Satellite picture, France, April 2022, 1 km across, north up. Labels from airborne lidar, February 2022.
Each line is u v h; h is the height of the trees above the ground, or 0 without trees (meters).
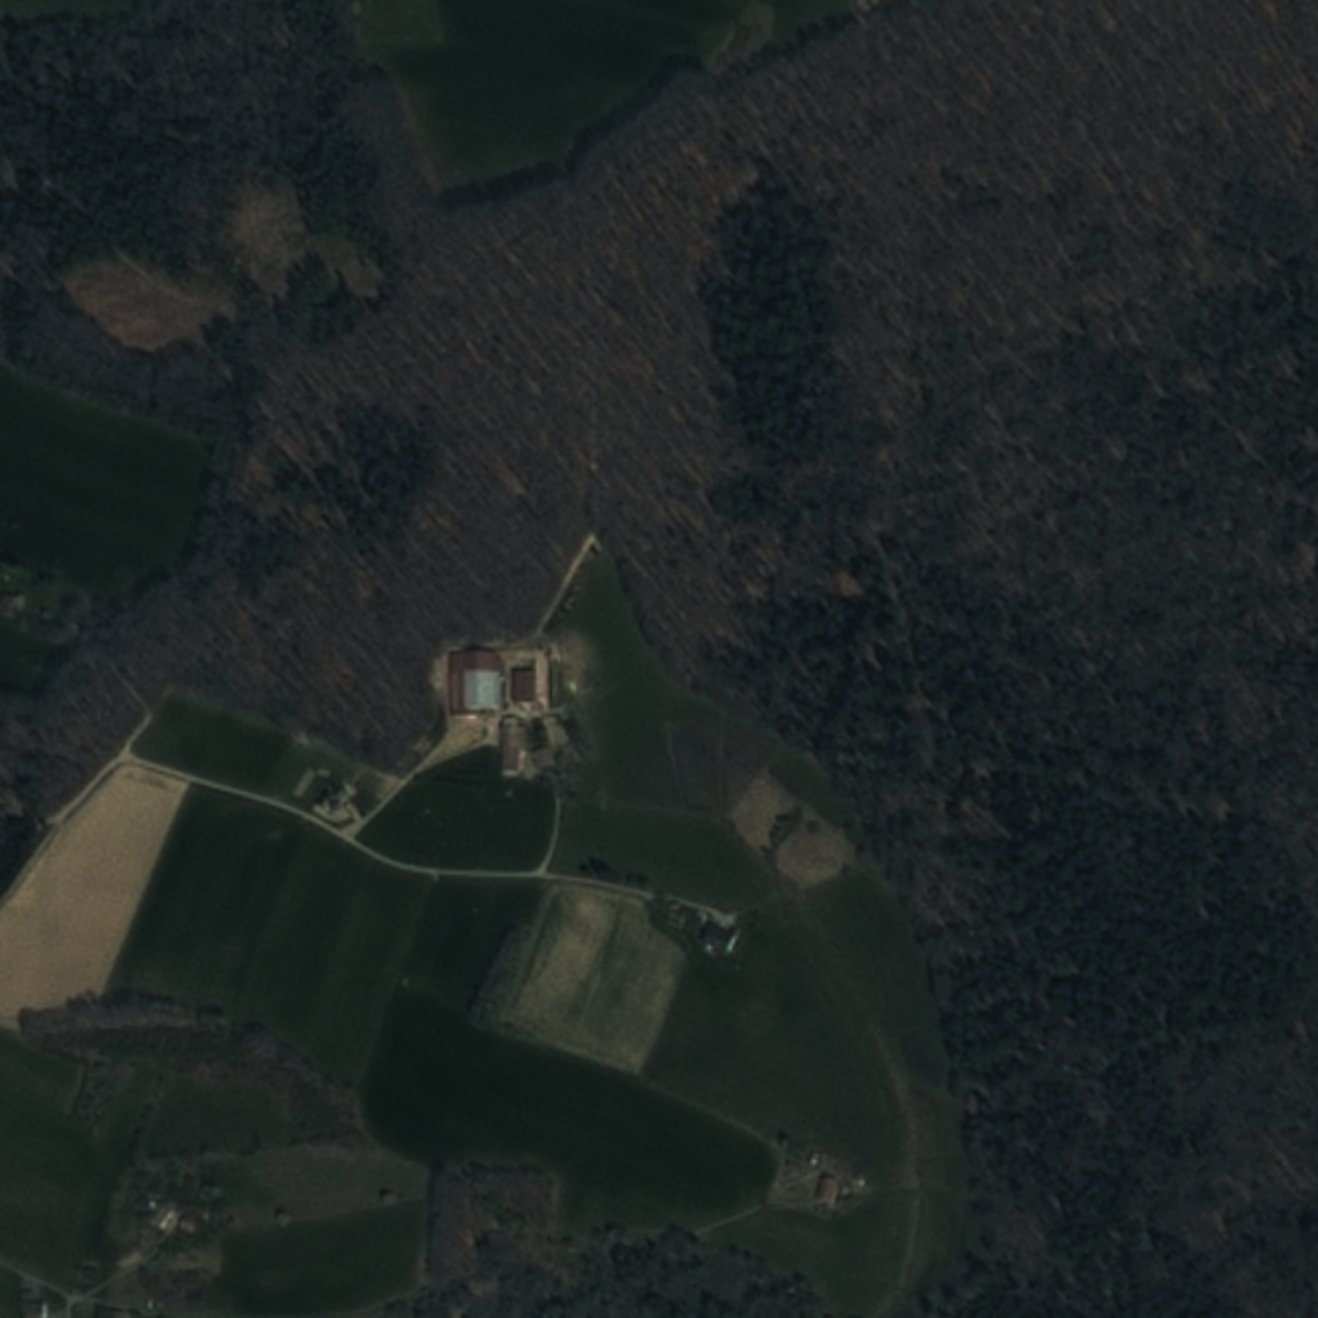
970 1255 0
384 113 29
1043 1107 23
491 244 32
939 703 20
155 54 27
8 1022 0
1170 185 26
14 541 0
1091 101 29
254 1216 0
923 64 30
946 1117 0
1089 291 27
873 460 27
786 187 30
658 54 0
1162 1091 27
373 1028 0
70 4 0
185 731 0
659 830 0
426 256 31
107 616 14
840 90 28
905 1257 0
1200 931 31
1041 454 29
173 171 20
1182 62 27
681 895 0
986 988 25
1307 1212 26
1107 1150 32
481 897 0
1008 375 28
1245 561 28
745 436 26
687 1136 0
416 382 29
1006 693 24
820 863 0
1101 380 27
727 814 0
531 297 33
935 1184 0
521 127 0
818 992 0
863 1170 0
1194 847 32
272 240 0
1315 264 28
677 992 0
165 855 0
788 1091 0
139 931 0
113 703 34
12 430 0
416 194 33
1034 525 25
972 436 27
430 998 0
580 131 0
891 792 27
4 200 8
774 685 26
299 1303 0
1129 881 27
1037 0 31
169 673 29
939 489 26
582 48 0
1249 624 25
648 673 0
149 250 27
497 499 33
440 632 34
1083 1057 26
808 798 0
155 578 0
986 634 27
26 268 27
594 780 0
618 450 32
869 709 30
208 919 0
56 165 14
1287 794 27
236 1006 0
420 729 28
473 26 0
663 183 29
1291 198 28
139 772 0
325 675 30
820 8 0
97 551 0
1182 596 30
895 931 0
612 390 32
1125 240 25
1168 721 28
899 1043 0
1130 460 25
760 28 0
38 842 14
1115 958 32
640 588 28
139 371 27
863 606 7
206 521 15
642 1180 0
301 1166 0
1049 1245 26
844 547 27
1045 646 26
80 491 0
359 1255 0
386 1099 0
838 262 29
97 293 0
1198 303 28
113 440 0
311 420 30
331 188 29
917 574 29
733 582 31
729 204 23
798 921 0
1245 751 25
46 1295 0
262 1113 0
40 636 17
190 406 29
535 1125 0
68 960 0
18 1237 0
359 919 0
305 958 0
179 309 0
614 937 0
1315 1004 26
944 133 28
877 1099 0
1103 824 33
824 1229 0
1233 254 29
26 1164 0
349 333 11
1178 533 27
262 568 32
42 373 22
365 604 28
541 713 0
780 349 18
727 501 28
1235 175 27
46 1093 0
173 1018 21
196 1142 0
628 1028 0
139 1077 0
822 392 26
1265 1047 25
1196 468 26
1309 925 30
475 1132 0
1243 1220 24
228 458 20
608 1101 0
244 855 0
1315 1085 26
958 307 29
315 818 0
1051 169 28
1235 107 25
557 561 36
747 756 0
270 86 27
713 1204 0
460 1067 0
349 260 0
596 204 31
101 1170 0
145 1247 0
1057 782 34
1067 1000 33
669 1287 12
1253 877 29
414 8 0
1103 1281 30
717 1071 0
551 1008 0
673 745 0
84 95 17
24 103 28
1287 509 27
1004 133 24
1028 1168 25
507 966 15
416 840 0
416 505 35
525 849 0
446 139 0
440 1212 19
